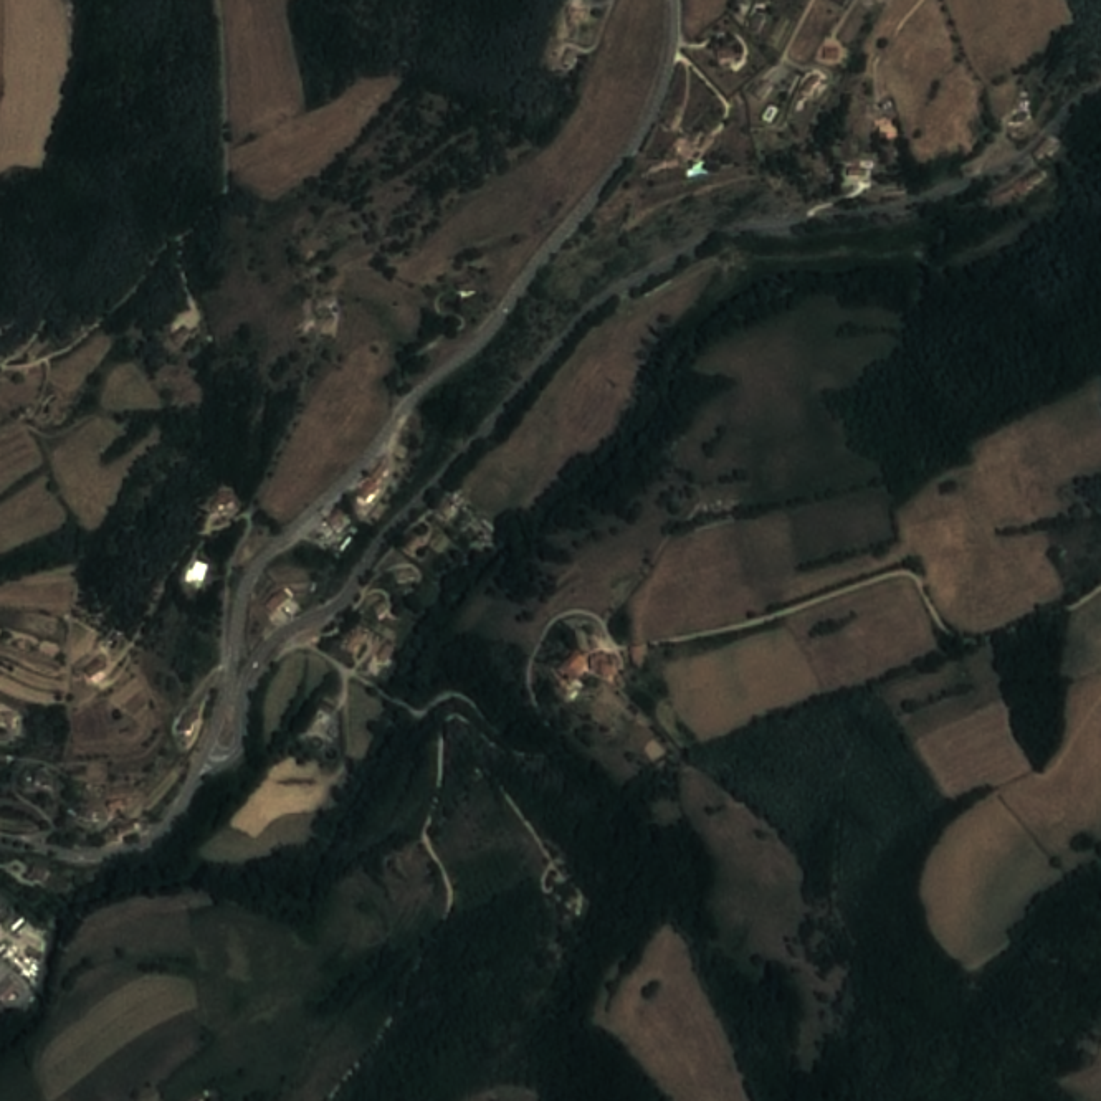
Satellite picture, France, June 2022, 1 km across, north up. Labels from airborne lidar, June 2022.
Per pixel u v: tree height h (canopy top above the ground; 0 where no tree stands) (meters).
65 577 0
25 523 0
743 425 0
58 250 15
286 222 0
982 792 10
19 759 8
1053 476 0
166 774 0
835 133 9
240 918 0
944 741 0
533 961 6
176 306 14
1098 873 10
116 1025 0
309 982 0
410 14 7
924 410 12
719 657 0
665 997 0
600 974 13
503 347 7
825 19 0
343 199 9
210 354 9
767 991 15
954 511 0
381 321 0
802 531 0
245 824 0
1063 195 9
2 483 0
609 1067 12
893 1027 14
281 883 27
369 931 0
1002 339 12
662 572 0
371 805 17
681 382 11
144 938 0
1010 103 0
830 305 0
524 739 17
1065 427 0
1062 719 13
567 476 20
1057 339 9
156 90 8
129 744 0
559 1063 18
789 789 9
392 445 0
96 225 16
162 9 13
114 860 12
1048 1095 9
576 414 0
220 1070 0
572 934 13
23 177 9
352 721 0
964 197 11
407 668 14
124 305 6
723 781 9
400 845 11
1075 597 8
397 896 0
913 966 7
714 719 0
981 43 0
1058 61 12
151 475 12
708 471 0
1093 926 10
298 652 0
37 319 15
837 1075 14
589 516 13
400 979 7
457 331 7
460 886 8
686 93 0
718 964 12
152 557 13
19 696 0
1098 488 15
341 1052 0
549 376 17
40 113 0
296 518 0
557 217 0
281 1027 0
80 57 10
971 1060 7
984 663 0
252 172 0
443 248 0
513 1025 10
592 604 0
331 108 0
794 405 0
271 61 0
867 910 8
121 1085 0
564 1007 13
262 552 0
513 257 0
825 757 5
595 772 16
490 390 8
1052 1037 9
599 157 0
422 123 12
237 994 0
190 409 7
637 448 14
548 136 6
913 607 0
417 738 7
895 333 12
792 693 0
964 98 0
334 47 10
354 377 0
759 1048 9
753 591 0
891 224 17
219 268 6
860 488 6
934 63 0
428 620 20
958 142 0
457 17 11
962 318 8
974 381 10
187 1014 0
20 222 10
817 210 0
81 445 0
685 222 0
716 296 0
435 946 11
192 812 12
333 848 7
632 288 9
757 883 0
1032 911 12
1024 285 15
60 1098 0
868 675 0
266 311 0
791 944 9
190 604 11
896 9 0
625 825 11
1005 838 0
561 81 11
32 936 0
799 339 0
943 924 0
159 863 14
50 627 0
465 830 0
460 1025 13
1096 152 17
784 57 0
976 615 0
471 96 11
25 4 0
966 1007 7
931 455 10
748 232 11
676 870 19
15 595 0
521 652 6
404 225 10
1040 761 10
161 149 14
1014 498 0
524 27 13
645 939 9
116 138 10
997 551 0
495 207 0
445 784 8
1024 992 8
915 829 9
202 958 0
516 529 21
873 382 6
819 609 0
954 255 12
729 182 0
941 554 0
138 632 12
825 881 8
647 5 0
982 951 0
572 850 10
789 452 0
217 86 8
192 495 13
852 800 7
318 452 0
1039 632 11
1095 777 0
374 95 0
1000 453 0
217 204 14
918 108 0
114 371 0
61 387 0
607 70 0
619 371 0
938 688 0
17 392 0
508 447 0
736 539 0
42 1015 7
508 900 11
